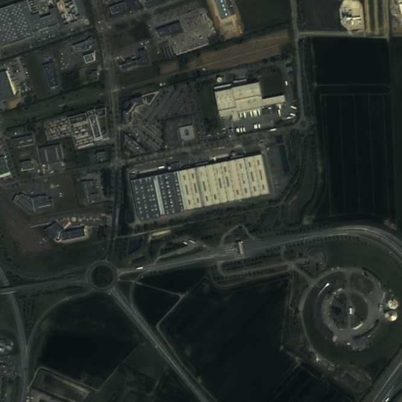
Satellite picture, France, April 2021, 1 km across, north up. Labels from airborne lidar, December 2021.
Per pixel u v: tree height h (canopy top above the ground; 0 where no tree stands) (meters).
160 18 0
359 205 0
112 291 0
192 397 0
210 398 0
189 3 0
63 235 0
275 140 0
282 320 0
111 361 0
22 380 0
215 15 0
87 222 0
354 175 0
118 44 0
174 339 0
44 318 0
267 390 0
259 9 0
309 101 7
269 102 0
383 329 0
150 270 0
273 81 0
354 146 0
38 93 0
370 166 0
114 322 0
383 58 0
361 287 0
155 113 0
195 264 0
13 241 0
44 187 0
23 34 0
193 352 0
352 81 0
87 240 0
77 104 0
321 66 0
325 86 0
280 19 0
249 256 0
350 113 0
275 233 0
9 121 0
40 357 0
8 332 0
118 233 7
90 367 0
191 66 0
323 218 0
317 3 0
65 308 0
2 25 0
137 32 0
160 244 10
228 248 0
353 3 0
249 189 0
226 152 0
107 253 0
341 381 0
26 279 0
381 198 0
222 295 0
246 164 0
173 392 0
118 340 0
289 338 0
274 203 9
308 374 0
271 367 0
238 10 0
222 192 0
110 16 0
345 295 0
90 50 0
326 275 0
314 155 8
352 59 0
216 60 0
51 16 0
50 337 0
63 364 0
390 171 0
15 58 0
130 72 0
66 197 0
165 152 10
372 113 0
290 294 0
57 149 0
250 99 0
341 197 0
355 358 0
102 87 7
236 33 0
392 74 0
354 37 0
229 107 0
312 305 0
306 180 0
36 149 0
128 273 0
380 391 0
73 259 0
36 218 0
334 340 0
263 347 0
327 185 0
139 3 0
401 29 0
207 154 0
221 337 0
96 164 8
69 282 0
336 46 0
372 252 0
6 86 0
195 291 0
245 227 6
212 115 0
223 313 0
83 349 0
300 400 0
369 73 0
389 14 0
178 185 0
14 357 0
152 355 0
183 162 0
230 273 0
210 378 0
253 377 0
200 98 0
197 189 0
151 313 0
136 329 0
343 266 0
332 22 0
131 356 0
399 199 0
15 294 0
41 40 0
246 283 0
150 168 0
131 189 0
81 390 0
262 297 0
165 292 0
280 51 0
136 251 0
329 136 0
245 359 0
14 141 0
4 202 0
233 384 0
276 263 0
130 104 0
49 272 0
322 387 0
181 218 0
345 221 0
